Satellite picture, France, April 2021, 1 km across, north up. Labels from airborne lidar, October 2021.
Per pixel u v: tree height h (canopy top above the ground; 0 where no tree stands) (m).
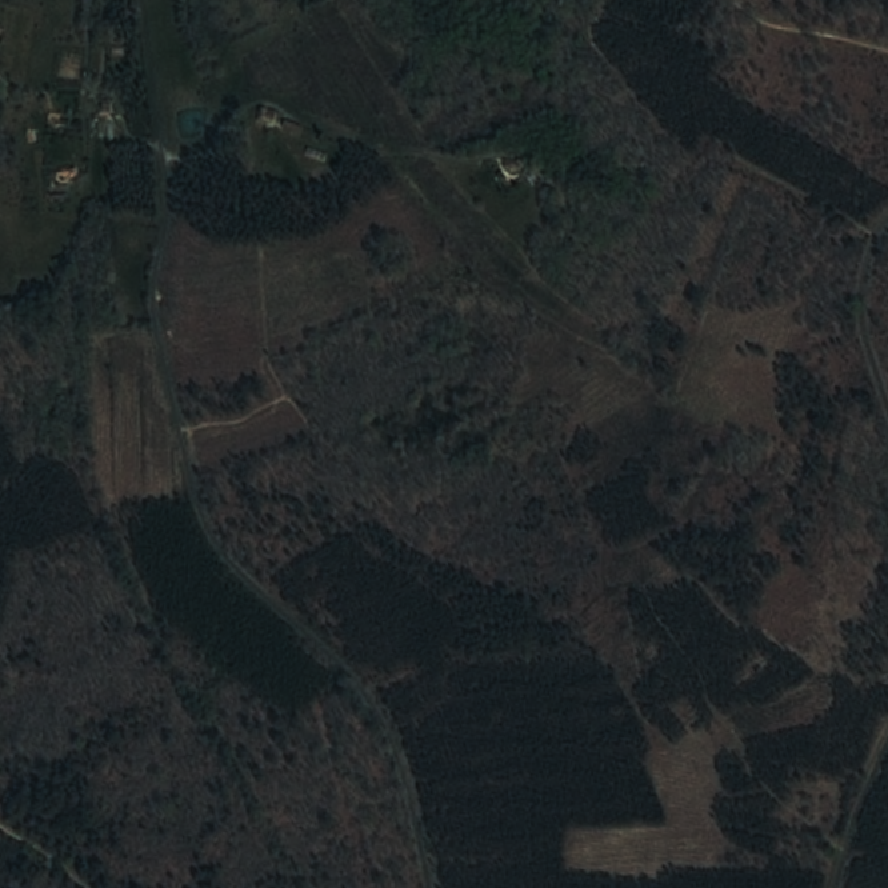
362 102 0
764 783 12
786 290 9
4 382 16
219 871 12
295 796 9
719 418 0
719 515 7
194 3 11
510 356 12
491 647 19
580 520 11
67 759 7
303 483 11
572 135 15
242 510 9
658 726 11
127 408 0
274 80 0
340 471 12
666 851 0
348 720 13
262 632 14
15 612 10
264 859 8
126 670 11
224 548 11
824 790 0
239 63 0
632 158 18
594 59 9
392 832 12
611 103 15
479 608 19
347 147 11
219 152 25
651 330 17
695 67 13
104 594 14
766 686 10
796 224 10
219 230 22
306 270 0
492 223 0
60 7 0
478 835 13
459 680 11
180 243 0
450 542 8
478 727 13
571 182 16
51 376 24
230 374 0
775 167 12
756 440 20
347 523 13
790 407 20
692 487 16
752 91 6
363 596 16
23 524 15
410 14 25
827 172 13
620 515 12
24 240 0
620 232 24
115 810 8
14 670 14
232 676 12
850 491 23
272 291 0
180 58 0
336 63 0
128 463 0
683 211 12
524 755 13
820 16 13
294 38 0
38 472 16
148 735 11
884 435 19
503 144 15
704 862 0
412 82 20
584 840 0
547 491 8
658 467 9
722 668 12
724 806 12
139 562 15
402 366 18
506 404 16
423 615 18
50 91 18
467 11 21
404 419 13
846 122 11
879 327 15
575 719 13
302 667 15
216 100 0
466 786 13
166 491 0
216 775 6
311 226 20
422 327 9
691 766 0
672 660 11
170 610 14
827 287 13
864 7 21
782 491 11
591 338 0
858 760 11
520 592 8
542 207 18
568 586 6
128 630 15
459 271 0
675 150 17
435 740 15
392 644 16
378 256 22
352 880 9
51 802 24
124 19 20
